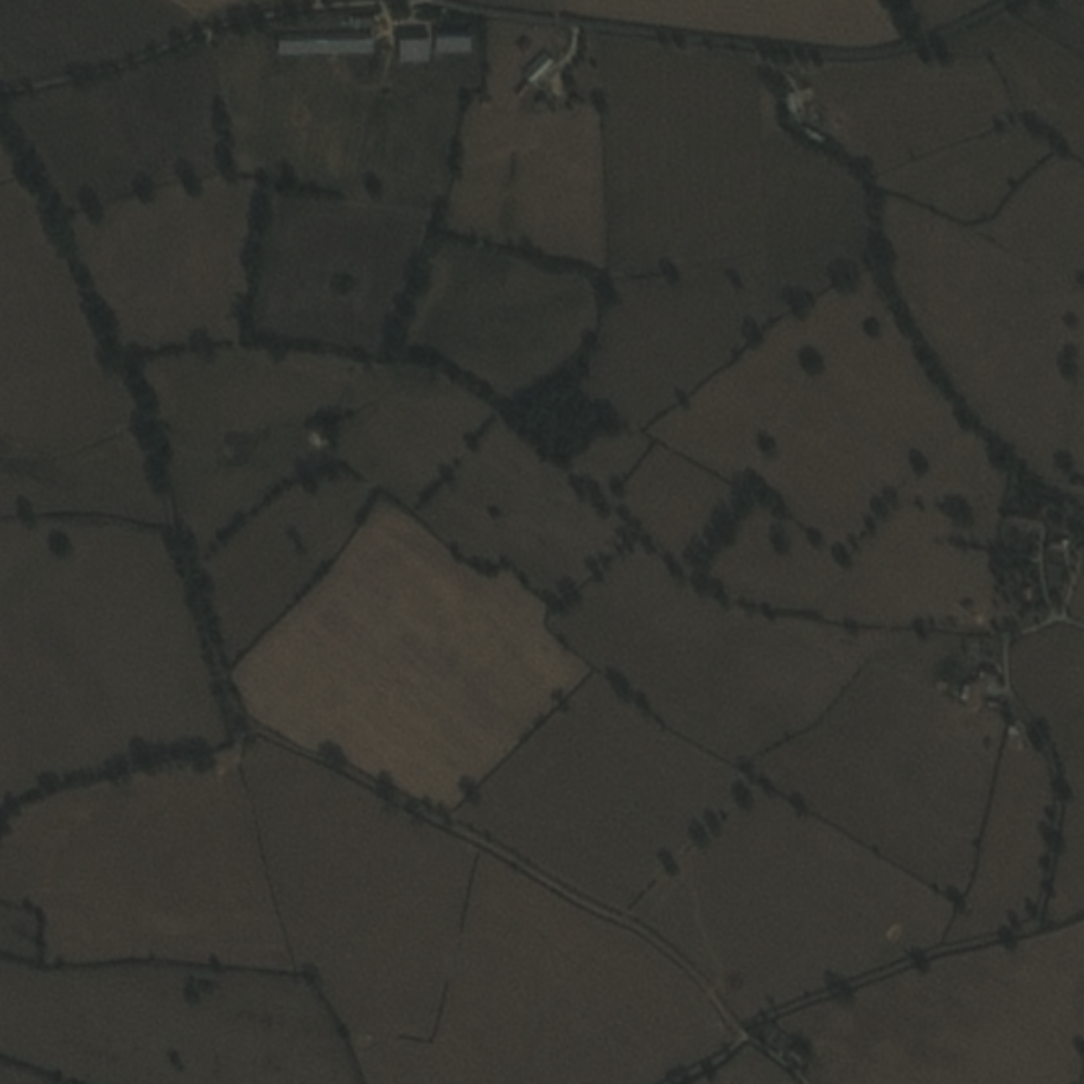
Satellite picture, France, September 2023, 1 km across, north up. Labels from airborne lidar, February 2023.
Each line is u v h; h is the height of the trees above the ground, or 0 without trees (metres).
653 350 0
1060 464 12
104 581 0
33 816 0
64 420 0
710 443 0
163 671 0
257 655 0
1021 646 0
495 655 0
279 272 0
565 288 0
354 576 0
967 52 0
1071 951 0
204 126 0
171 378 0
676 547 0
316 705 0
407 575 0
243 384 0
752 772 14
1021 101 0
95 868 0
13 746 0
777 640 0
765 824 0
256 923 0
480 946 0
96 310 16
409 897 0
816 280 0
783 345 0
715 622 0
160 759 13
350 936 0
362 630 0
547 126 0
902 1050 0
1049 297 0
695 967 0
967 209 0
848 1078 0
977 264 0
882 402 0
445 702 0
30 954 0
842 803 0
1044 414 0
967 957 0
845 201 0
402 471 0
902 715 0
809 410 0
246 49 0
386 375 0
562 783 0
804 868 0
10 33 0
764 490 18
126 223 0
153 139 0
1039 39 0
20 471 0
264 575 0
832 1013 0
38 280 0
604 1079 0
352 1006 0
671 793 0
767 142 0
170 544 17
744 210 0
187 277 0
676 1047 0
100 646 0
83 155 0
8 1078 0
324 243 0
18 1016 0
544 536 0
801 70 0
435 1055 0
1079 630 0
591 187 0
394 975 0
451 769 0
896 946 0
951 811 0
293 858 0
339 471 7
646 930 0
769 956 0
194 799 0
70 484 0
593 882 0
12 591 0
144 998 0
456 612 0
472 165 0
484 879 0
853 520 0
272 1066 0
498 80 0
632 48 0
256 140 0
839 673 0
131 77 0
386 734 0
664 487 0
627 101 0
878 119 0
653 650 0
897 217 0
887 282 17
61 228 20
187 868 0
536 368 0
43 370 0
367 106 0
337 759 14
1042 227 0
